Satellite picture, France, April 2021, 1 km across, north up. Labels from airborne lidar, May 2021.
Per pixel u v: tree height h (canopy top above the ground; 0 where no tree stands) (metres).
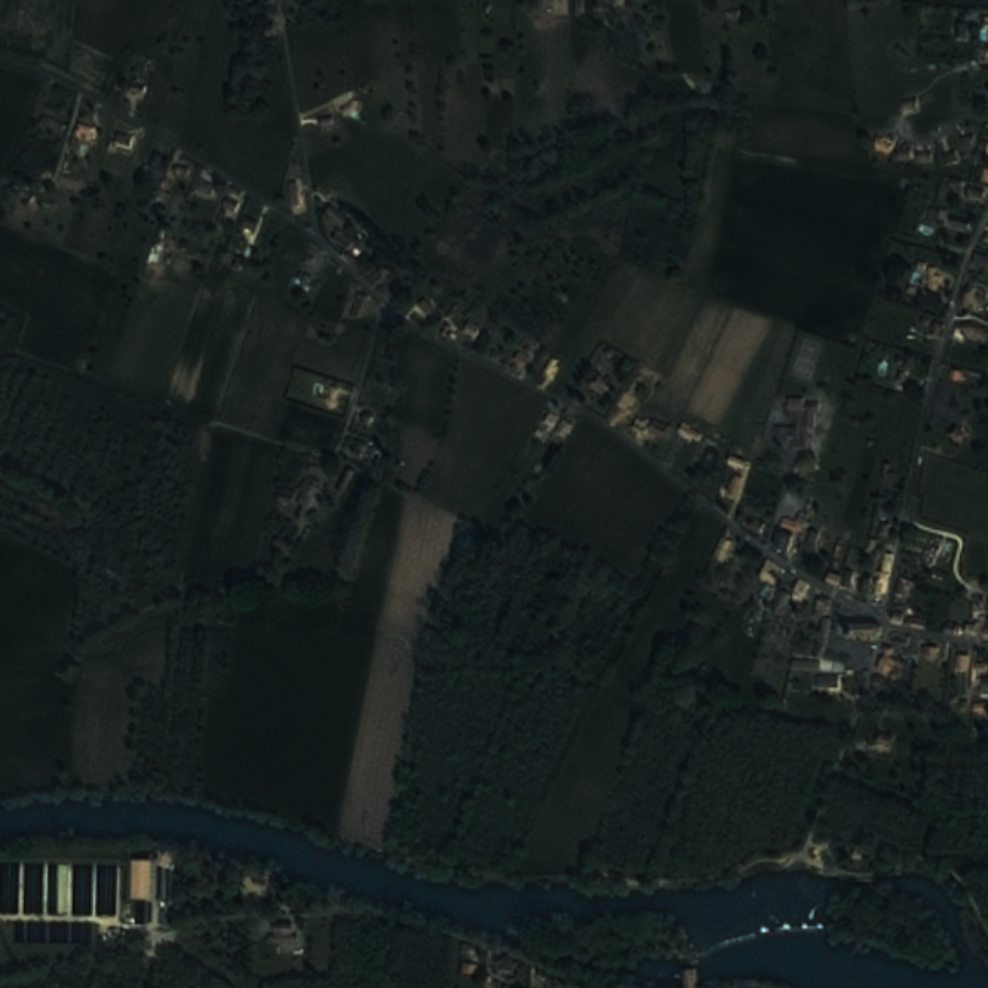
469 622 14
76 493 13
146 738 11
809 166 0
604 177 0
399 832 19
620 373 11
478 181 21
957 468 0
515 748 13
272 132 0
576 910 0
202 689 11
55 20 0
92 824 0
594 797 0
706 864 11
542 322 25
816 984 0
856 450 0
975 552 0
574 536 0
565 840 0
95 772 0
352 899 15
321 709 0
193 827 0
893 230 0
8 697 0
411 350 0
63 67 0
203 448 0
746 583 17
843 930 20
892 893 17
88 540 19
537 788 12
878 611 0
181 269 0
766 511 8
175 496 11
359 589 0
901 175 0
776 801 16
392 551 0
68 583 0
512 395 0
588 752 0
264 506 0
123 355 0
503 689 16
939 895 0
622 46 14
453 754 11
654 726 10
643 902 0
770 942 0
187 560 0
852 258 0
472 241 0
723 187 0
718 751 13
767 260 0
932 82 0
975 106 6
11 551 0
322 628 0
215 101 0
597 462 0
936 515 0
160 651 0
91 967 16
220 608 19
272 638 0
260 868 15
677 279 11
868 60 0
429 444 0
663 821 10
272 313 0
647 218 0
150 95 0
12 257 0
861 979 0
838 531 0
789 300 0
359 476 0
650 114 16
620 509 0
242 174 0
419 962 20
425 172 0
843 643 0
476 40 0
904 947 23
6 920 0
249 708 0
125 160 0
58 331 0
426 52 0
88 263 0
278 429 0
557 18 0
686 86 0
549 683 17
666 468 0
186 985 15
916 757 9
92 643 18
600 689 12
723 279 0
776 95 0
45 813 0
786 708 0
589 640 11
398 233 0
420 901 0
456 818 10
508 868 15
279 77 0
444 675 20
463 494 0
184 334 0
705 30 0
